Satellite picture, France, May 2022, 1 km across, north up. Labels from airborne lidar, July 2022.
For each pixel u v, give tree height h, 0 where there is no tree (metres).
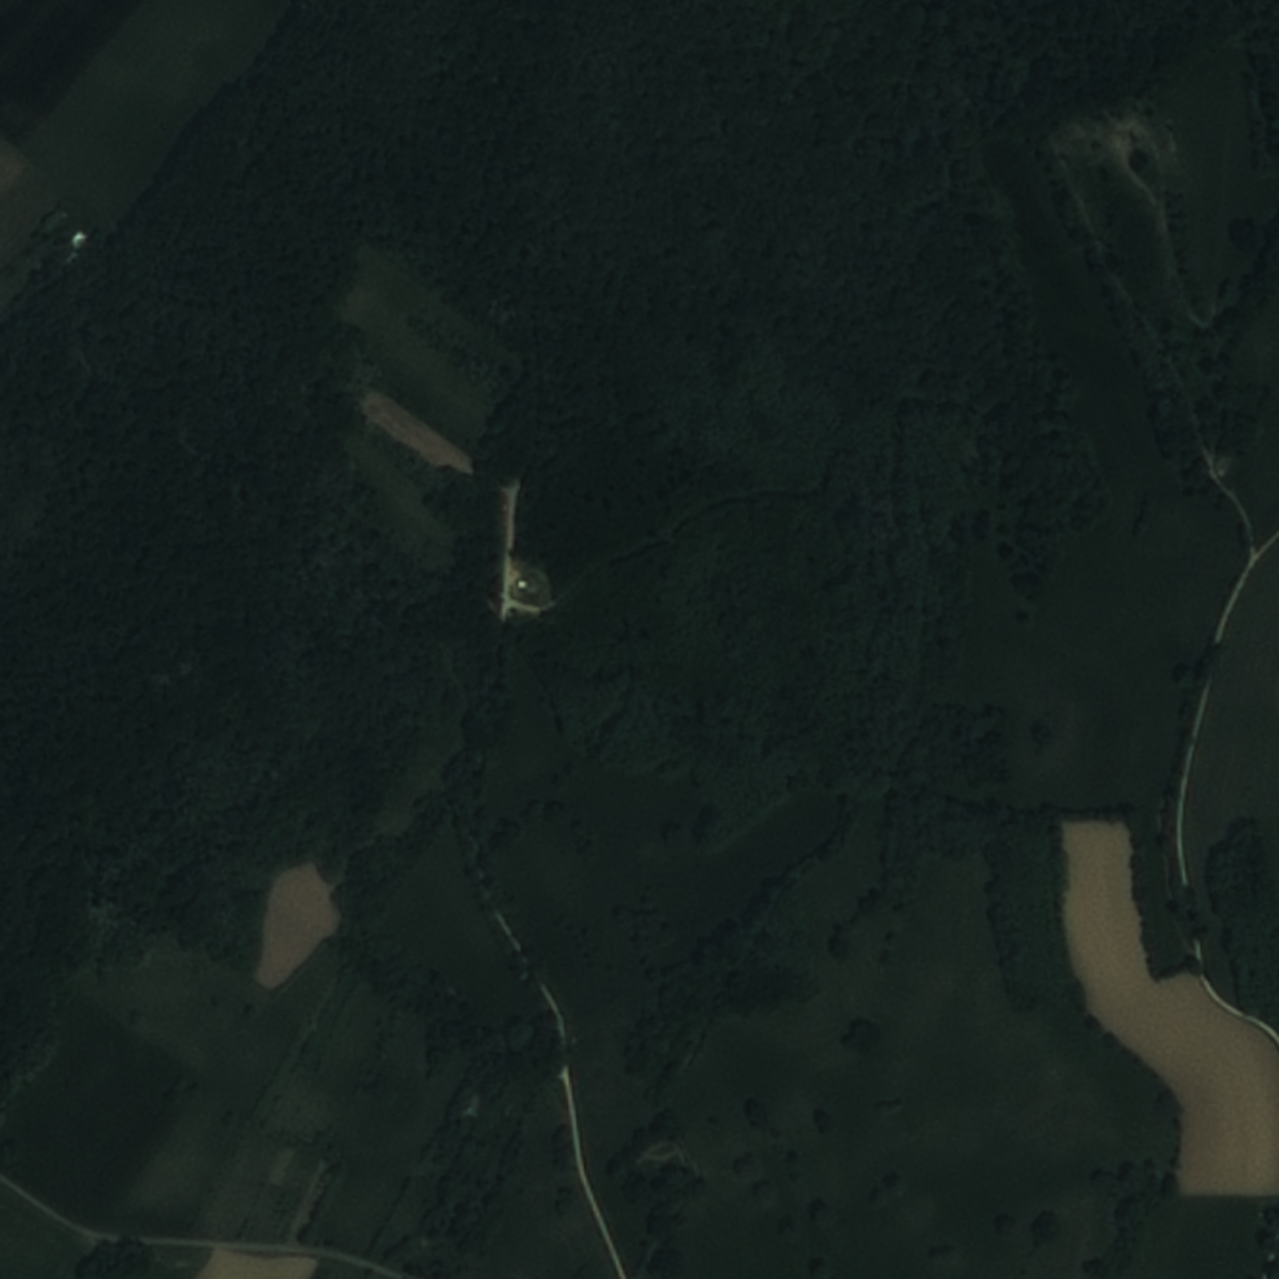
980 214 10
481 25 21
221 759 20
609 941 0
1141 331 26
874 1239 0
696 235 20
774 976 22
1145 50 29
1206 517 0
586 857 7
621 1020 0
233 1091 0
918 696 8
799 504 9
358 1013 0
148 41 0
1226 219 0
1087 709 0
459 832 10
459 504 16
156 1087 0
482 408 0
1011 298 13
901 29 35
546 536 9
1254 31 9
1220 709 0
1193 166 0
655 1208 14
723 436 26
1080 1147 0
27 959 12
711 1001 9
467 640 11
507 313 16
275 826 9
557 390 9
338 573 11
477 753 11
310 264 7
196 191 17
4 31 0
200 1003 0
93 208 0
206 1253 0
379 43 16
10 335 14
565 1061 12
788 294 19
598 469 8
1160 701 0
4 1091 18
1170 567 0
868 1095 0
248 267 13
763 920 21
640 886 0
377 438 13
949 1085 0
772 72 17
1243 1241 0
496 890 11
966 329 24
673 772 19
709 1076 0
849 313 20
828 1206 13
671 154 17
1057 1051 0
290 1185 0
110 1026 0
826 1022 0
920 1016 0
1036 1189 0
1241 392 6
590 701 20
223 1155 0
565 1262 0
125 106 0
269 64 12
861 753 15
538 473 8
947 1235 0
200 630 17
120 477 18
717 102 18
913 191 22
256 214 15
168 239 16
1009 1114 0
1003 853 21
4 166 0
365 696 9
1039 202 0
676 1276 18
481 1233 11
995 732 7
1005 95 27
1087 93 24
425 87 17
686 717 18
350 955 13
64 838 19
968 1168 0
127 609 20
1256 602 0
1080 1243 0
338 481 20
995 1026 0
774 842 0
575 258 20
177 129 0
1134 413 0
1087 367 0
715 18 17
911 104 31
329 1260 0
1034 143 15
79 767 17
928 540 25
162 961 0
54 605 15
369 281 0
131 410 13
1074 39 19
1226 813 0
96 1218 0
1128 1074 0
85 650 15
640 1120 0
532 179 16
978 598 0
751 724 12
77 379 22
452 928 0
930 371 18
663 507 8
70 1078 0
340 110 12
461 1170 8
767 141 16
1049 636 0
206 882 19
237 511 16
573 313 11
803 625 10
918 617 27
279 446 20
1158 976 7
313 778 13
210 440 18
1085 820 9
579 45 14
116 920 21
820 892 0
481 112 18
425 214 21
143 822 10
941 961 0
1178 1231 0
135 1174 0
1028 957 12
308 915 0
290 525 20
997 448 23
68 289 13
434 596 6
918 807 21
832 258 15
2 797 16
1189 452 14
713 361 18
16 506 17
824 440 22
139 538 17
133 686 18
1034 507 24
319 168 14
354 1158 0
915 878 16
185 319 12
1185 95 0
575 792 0
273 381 17
